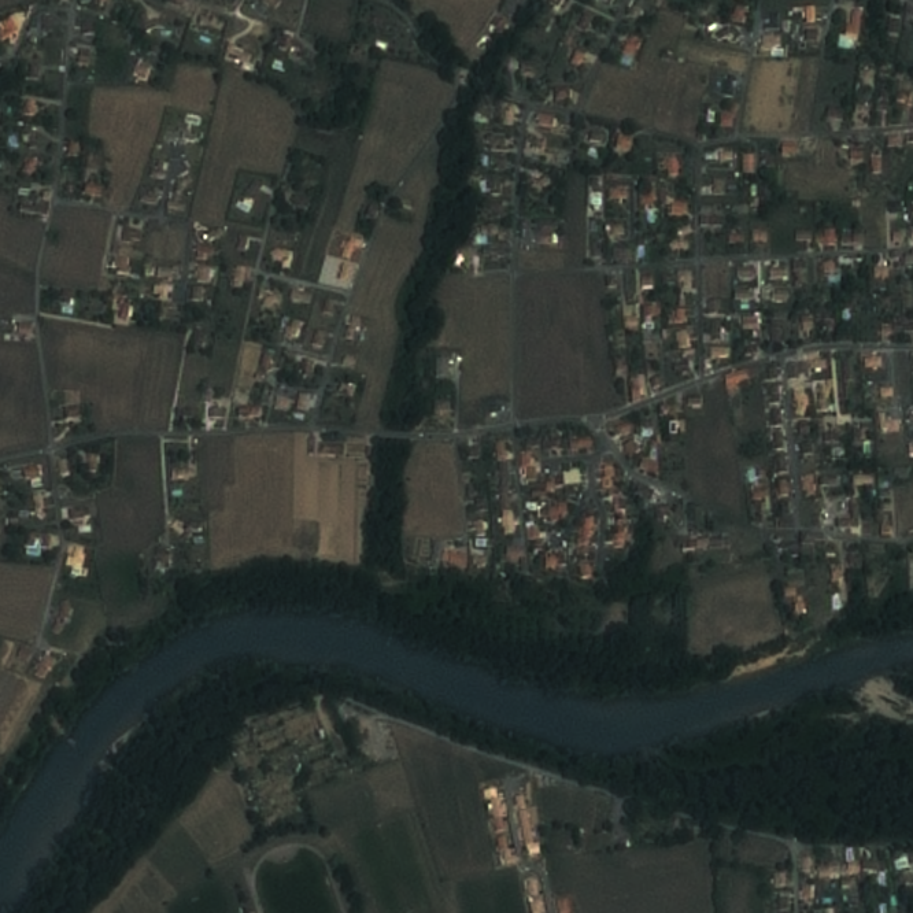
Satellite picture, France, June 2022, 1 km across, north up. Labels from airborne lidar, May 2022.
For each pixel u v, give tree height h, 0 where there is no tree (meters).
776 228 0
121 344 0
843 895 0
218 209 0
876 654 0
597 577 10
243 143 0
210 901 0
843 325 13
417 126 0
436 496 0
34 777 0
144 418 0
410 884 0
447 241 23
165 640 12
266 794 0
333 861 7
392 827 0
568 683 28
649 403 0
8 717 0
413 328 11
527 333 0
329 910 0
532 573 7
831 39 9
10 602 0
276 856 0
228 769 0
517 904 0
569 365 0
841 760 31
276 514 0
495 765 0
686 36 0
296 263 0
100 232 0
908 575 0
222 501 0
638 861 0
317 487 0
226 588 19
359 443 0
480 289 0
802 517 0
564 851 0
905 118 0
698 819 19
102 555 0
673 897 0
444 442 0
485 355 0
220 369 0
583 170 12
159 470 0
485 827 0
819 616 0
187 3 0
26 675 0
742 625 0
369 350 0
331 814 0
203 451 0
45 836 0
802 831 13
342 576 14
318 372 7
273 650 0
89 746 0
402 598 18
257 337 7
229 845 0
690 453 0
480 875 0
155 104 0
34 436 0
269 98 0
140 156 0
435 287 7
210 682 15
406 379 10
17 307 0
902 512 0
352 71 15
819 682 0
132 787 16
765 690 0
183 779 26
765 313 8
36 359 0
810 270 0
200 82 0
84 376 0
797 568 9
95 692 15
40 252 0
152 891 0
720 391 0
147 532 0
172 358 0
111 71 0
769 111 0
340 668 8
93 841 16
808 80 0
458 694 0
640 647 14
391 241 0
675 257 0
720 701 0
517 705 0
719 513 0
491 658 28
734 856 7
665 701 0
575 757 10
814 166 0
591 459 0
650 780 24
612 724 0
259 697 23
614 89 0
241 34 0
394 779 0
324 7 0
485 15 0
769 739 14
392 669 0
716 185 0
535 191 9
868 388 0
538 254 0
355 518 0
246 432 0
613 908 0
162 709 31
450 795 0
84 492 8
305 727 0
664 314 6
